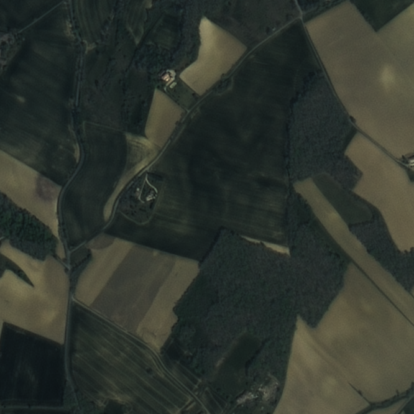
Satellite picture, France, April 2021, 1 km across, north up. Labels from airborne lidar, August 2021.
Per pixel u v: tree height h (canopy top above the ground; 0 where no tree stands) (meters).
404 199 0
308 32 0
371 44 0
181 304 6
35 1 0
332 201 0
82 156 0
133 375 0
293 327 17
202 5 16
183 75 0
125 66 0
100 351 0
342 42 0
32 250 18
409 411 0
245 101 0
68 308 0
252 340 0
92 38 0
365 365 0
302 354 0
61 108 0
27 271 0
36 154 0
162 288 0
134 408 0
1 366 0
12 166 0
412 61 0
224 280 20
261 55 0
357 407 0
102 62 0
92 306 0
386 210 0
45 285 0
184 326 8
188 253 0
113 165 0
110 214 0
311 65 0
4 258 0
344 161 20
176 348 0
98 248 0
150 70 15
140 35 0
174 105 0
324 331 0
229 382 0
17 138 0
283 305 24
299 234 17
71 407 14
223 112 0
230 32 0
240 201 0
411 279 18
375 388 0
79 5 0
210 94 0
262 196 0
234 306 14
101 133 0
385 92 0
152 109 0
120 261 0
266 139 0
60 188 0
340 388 0
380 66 0
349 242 0
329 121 18
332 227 0
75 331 0
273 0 0
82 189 0
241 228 0
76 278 15
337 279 18
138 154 0
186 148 0
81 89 6
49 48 0
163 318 0
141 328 0
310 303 20
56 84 0
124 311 0
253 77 0
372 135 0
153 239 0
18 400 0
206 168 0
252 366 21
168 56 12
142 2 0
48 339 0
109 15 0
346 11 0
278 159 0
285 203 0
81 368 0
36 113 0
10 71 0
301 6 15
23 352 0
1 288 0
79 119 23
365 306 0
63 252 0
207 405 0
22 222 10
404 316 0
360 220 0
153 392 0
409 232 0
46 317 0
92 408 24
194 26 13
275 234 0
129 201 8
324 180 0
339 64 0
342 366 0
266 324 18
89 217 0
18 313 0
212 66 0
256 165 0
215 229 0
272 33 18
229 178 0
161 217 0
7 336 0
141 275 0
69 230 0
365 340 0
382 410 0
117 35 9
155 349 0
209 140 0
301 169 20
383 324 0
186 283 0
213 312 16
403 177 0
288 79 0
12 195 0
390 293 0
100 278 0
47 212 0
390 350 0
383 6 0
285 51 0
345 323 0
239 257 18
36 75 0
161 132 0
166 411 0
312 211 20
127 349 0
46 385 0
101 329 0
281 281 18
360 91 0
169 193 0
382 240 19
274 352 19
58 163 0
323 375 0
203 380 0
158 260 0
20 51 0
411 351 0
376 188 0
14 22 0
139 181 9
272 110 0
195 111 0
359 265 0
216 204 0
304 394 0
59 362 0
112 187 0
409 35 0
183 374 0
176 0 8
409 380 0
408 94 0
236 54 0
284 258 18
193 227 0
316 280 21
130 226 0
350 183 17
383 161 0
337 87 0
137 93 0
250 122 0
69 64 0
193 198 0
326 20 0
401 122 0
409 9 0
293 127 18
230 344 15
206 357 17
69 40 0
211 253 17
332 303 12
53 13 0
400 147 0
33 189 0
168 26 0
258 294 20
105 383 0
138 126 10
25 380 0
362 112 0
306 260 20
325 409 0
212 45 0
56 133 0
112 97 0
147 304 0
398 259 19
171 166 0
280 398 0
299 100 14
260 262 19
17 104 0
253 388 0
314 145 19
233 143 0
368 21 13
